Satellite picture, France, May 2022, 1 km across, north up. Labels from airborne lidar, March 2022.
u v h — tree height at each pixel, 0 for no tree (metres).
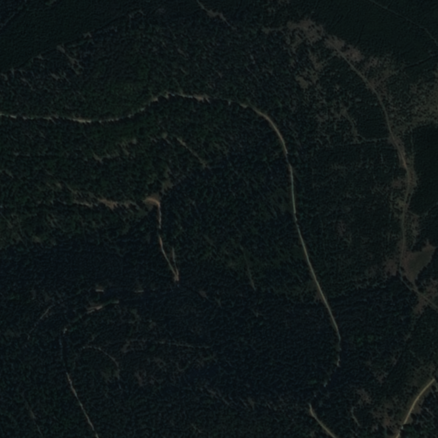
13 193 21
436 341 6
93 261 21
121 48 23
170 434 24
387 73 0
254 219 28
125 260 13
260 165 34
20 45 10
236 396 19
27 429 35
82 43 8
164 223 9
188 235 23
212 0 14
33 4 8
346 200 9
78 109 19
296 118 23
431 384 0
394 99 6
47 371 27
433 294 0
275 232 27
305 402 30
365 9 8
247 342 28
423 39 8
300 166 6
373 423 8
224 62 30
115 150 27
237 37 30
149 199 0
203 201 28
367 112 6
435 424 19
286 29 7
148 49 33
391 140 0
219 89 26
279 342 27
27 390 30
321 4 7
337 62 8
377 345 26
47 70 11
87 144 28
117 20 14
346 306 18
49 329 10
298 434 25
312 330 21
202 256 17
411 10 6
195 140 17
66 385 25
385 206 6
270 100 33
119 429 24
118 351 7
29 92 25
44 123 27
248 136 33
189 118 32
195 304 25
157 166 35
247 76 28
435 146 7
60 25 12
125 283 30
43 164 33
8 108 20
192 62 29
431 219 9
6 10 10
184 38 27
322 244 8
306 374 27
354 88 9
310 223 6
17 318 9
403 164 0
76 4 11
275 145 23
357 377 19
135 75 25
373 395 8
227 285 20
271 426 22
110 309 14
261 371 23
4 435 8
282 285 29
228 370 29
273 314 22
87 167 25
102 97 20
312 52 24
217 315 26
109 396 11
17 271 30
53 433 26
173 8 17
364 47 7
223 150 7
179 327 22
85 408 19
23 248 35
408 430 14
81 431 26
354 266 8
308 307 20
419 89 6
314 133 8
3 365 31
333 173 7
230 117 30
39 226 8
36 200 12
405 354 6
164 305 31
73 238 17
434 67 6
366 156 7
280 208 0
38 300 8
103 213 32
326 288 7
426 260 0
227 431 14
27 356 29
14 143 26
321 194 9
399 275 15
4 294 29
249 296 24
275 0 9
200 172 34
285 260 0
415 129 6
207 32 31
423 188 8
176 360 7
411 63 8
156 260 22
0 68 13
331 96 9
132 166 30
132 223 8
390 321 24
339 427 17
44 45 12
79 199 10
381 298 23
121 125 22
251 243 27
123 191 27
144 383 7
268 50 30
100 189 31
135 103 20
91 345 7
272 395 35
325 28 8
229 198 25
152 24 24
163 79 27
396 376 7
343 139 7
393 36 7
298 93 31
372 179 6
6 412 27
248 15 10
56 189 26
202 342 24
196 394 28
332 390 21
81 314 12
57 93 24
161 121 36
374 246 7
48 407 25
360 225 7
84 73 27
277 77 28
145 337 8
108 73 25
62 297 34
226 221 26
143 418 21
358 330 21
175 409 26
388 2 6
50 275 32
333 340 17
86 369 30
